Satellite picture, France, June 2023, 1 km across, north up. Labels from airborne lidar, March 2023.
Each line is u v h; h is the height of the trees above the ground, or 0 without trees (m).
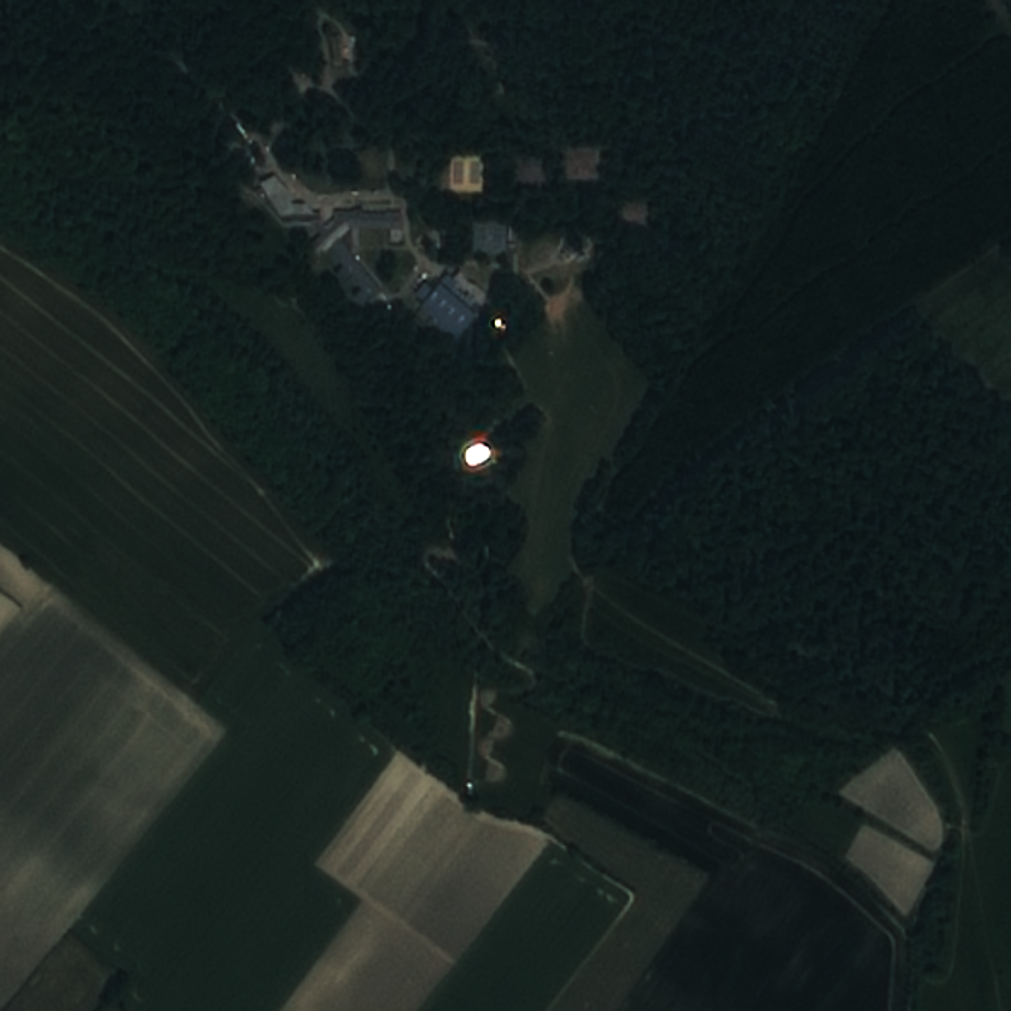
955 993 0
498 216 13
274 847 0
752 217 21
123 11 22
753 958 0
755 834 0
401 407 9
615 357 0
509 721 0
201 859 0
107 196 7
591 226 19
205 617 0
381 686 6
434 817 0
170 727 0
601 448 0
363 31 25
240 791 0
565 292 0
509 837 0
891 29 8
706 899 0
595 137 9
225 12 22
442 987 0
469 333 6
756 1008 0
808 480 26
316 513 17
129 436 0
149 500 0
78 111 17
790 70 24
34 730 0
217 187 22
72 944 0
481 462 15
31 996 0
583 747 0
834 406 26
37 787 0
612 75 19
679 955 0
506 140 19
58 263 13
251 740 0
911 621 18
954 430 27
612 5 13
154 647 0
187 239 20
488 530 18
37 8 21
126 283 18
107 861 0
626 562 22
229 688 0
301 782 0
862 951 0
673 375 20
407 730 0
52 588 0
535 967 0
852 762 13
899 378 20
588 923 0
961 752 0
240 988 0
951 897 13
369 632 20
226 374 19
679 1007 0
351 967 0
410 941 0
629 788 0
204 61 25
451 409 15
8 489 0
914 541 27
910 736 15
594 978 0
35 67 23
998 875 0
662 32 20
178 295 18
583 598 0
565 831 0
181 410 0
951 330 0
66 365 0
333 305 8
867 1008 0
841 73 10
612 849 0
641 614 0
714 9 22
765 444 26
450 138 24
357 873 0
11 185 19
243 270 9
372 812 0
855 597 26
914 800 0
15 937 0
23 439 0
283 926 0
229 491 0
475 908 0
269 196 0
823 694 23
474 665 8
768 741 15
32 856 0
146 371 0
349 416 0
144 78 24
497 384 22
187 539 0
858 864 0
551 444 0
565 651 14
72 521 0
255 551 0
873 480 26
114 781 0
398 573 15
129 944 0
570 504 0
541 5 25
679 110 21
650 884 0
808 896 0
